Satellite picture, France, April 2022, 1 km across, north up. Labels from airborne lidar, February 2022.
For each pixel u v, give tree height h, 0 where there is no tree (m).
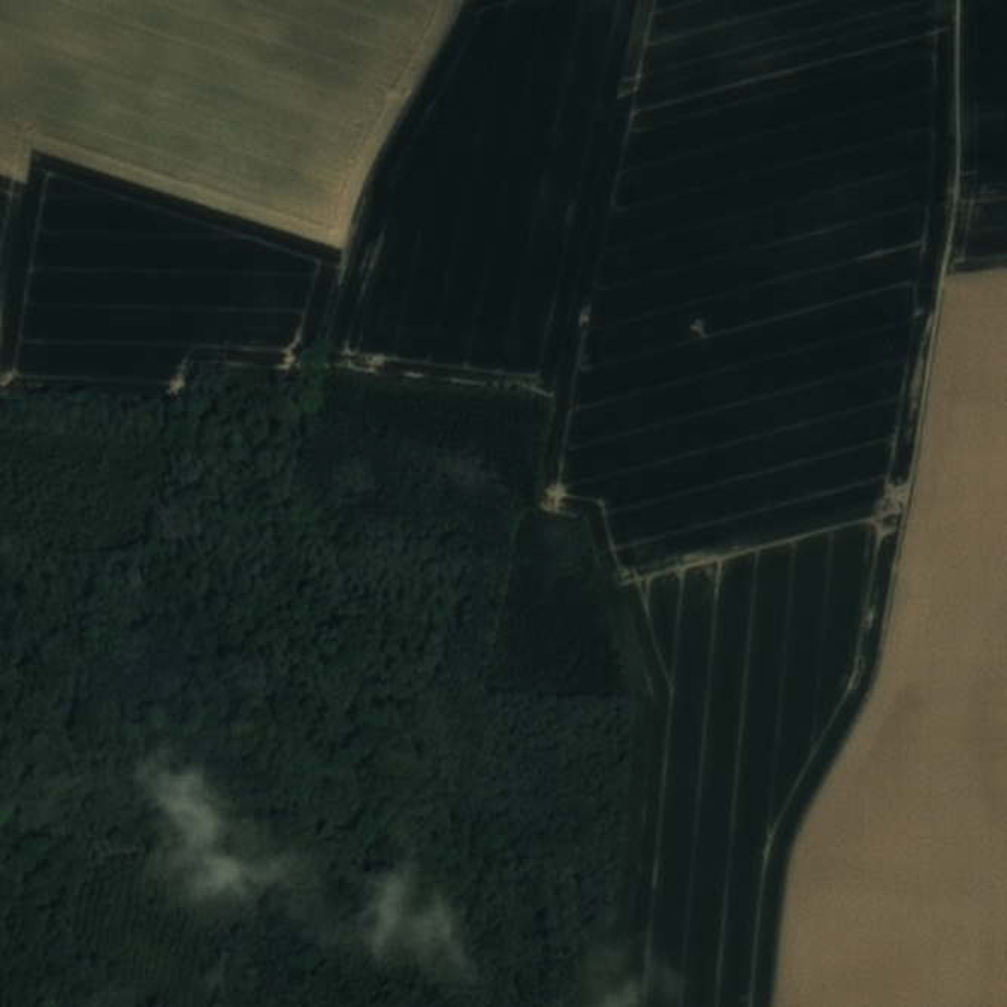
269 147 0
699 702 0
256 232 0
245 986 21
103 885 12
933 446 0
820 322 0
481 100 0
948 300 0
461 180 0
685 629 0
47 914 16
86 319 0
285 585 21
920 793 0
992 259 0
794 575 0
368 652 29
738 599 0
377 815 21
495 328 0
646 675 0
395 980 20
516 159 0
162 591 20
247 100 0
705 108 0
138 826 19
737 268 0
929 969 0
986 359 0
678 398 0
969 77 0
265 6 0
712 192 0
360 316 0
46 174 0
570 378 0
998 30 0
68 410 21
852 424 0
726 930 0
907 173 0
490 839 28
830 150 0
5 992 11
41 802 16
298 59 0
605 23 0
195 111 0
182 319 0
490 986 20
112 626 21
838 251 0
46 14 0
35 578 22
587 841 20
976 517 0
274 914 19
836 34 0
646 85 0
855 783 0
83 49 0
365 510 19
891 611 0
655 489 0
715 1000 0
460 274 0
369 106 0
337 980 17
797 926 0
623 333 0
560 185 0
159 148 0
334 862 17
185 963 7
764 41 0
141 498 8
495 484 24
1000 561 0
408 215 0
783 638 0
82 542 8
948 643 0
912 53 0
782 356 0
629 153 0
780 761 0
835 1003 0
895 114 0
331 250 0
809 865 0
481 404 6
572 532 6
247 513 26
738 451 0
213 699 19
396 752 26
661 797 0
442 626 17
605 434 0
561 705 19
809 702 0
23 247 0
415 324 0
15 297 0
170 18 0
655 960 0
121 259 0
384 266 0
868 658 0
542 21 0
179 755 17
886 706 0
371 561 24
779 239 0
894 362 0
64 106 0
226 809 17
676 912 0
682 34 0
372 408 7
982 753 0
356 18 0
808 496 0
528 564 7
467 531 16
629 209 0
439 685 24
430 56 0
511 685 6
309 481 22
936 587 0
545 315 0
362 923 19
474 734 21
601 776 16
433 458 18
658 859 0
